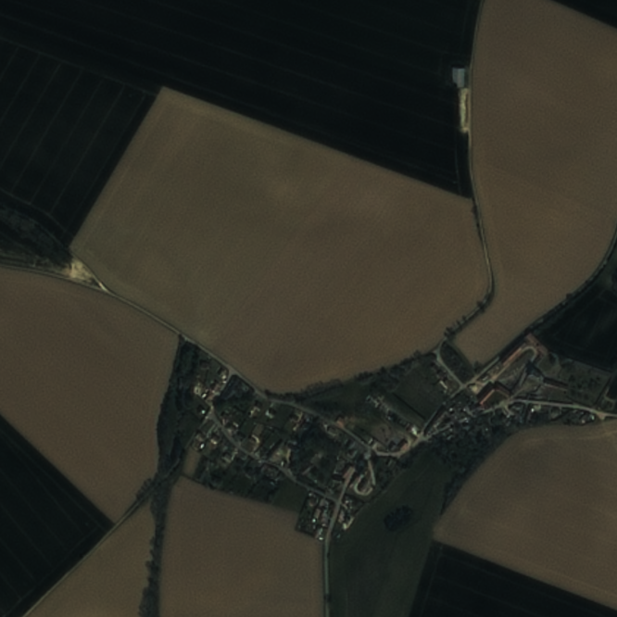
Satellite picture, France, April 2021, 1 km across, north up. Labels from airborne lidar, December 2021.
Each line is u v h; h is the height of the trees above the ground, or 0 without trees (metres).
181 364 6
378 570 0
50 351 0
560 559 0
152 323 0
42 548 0
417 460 14
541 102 0
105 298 0
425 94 0
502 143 0
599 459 0
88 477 0
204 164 0
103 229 0
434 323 0
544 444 0
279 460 0
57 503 0
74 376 0
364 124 0
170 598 0
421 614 0
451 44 0
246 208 0
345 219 0
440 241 0
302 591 0
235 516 0
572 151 0
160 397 0
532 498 0
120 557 0
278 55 0
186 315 0
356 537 0
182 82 0
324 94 0
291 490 0
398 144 0
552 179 0
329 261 0
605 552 0
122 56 0
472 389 0
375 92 0
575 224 0
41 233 24
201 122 0
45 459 0
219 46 0
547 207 0
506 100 0
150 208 0
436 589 0
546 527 0
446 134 0
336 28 0
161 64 0
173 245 0
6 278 0
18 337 0
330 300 0
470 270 0
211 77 0
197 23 0
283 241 0
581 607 0
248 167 0
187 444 0
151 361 0
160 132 0
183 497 0
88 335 0
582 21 0
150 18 0
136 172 0
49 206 0
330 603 16
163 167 0
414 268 0
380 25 0
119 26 0
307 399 14
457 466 10
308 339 0
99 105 0
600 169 0
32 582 0
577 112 0
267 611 0
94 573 0
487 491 0
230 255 0
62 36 0
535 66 0
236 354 0
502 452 0
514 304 0
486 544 0
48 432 0
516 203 0
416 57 0
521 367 0
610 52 0
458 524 0
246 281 0
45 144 0
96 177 0
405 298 0
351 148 0
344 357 0
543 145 0
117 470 0
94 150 0
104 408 0
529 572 0
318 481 13
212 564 0
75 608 0
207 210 0
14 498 0
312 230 0
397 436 0
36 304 0
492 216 0
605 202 0
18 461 0
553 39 0
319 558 0
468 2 0
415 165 0
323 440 16
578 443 0
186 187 0
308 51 0
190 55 0
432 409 0
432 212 0
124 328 0
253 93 0
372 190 0
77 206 0
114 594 0
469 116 0
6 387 0
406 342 0
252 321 0
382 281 0
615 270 0
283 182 0
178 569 0
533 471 0
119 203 0
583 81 0
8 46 0
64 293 0
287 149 0
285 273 0
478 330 0
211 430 0
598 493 0
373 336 0
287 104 0
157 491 14
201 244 0
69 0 0
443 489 0
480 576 0
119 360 0
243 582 0
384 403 0
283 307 0
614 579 0
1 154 0
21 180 0
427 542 0
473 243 0
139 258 0
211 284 0
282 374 0
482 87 0
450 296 0
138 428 0
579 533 0
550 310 0
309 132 0
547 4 0
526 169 0
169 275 0
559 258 0
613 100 0
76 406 0
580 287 0
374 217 0
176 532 0
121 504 0
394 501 0
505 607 0
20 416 0
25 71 0
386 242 0
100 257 0
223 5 0
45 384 0
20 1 0
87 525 0
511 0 0
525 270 0
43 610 0
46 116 0
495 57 0
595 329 0
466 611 0
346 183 0
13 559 0
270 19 0
